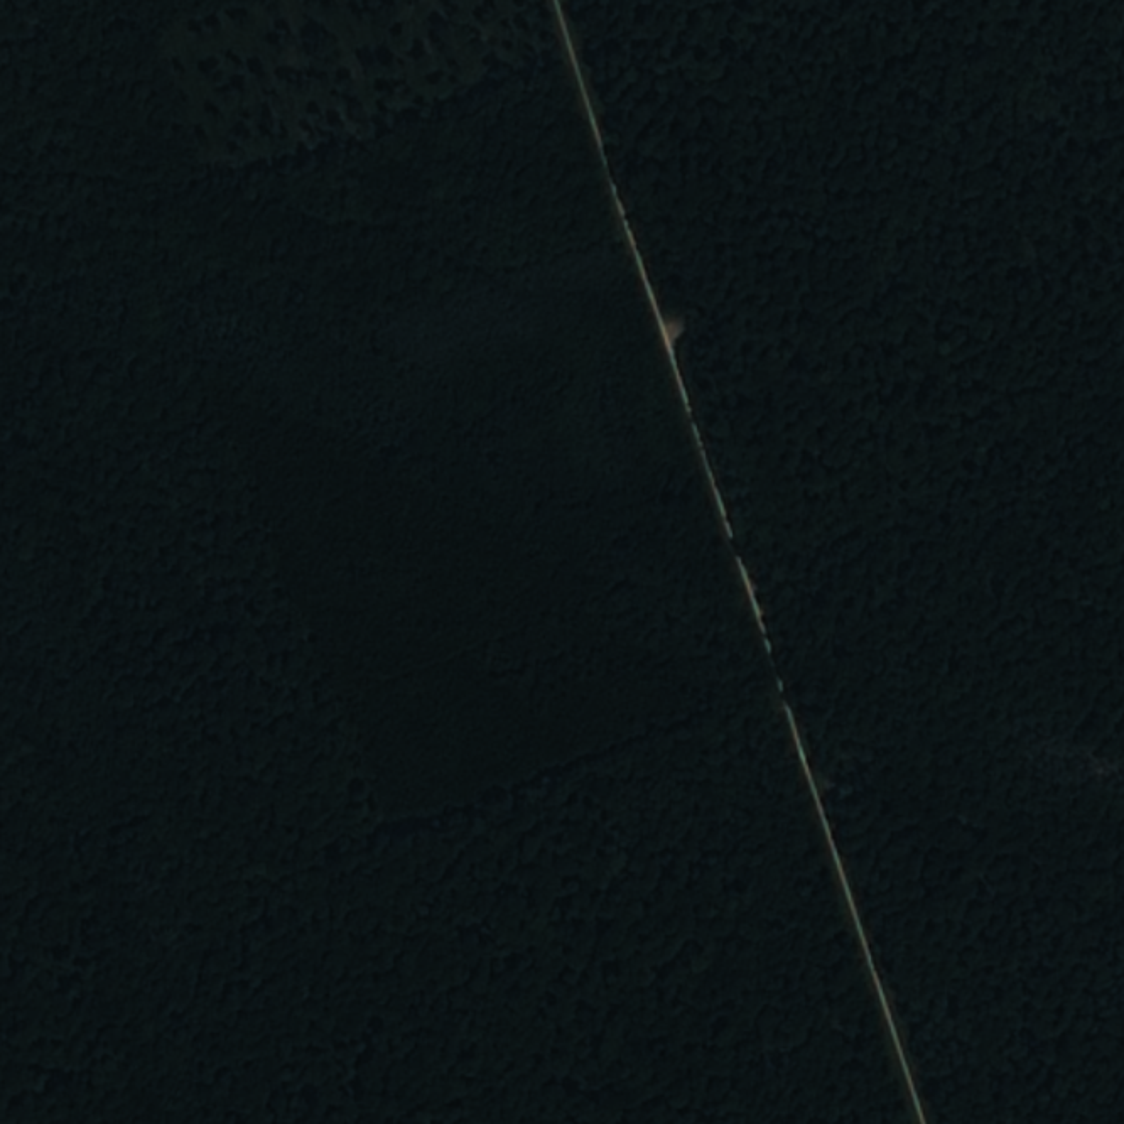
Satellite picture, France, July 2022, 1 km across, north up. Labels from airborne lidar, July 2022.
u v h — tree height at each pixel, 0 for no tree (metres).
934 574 21
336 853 24
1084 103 27
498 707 10
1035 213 26
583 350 13
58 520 20
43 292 21
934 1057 27
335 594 13
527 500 24
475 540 12
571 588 12
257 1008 27
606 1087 26
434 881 22
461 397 16
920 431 28
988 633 22
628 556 27
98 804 23
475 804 8
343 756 26
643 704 12
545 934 27
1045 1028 26
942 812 27
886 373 27
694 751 25
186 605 20
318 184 20
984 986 28
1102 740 22
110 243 19
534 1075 27
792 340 28
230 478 26
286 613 19
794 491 27
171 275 24
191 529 28
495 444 18
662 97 22
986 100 25
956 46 28
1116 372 27
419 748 7
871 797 30
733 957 24
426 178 19
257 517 20
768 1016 21
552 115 24
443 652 12
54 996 29
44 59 24
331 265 21
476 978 26
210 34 22
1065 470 28
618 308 17
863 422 29
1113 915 29
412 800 9
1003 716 23
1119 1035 23
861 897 14
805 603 23
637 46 25
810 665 26
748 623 21
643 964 25
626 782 19
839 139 29
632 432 14
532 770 9
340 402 21
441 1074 25
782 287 27
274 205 20
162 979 22
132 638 19
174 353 24
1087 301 29
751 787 21
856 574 26
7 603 16
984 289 30
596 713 14
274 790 27
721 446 21
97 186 18
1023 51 26
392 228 20
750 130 28
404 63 11
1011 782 23
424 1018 23
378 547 12
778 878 25
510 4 0
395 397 20
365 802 24
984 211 29
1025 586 25
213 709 27
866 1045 25
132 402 21
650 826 22
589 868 28
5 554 20
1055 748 20
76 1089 24
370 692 10
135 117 22
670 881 28
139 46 18
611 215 18
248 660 26
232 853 28
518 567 12
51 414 20
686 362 8
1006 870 30
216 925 23
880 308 28
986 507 25
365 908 29
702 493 15
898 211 30
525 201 20
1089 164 30
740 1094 22
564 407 13
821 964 16
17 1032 28
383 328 18
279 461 13
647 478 15
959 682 19
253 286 19
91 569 26
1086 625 25
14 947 27
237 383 19
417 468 22
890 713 20
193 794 27
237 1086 28
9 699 22
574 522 24
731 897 28
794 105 29
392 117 22
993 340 27
